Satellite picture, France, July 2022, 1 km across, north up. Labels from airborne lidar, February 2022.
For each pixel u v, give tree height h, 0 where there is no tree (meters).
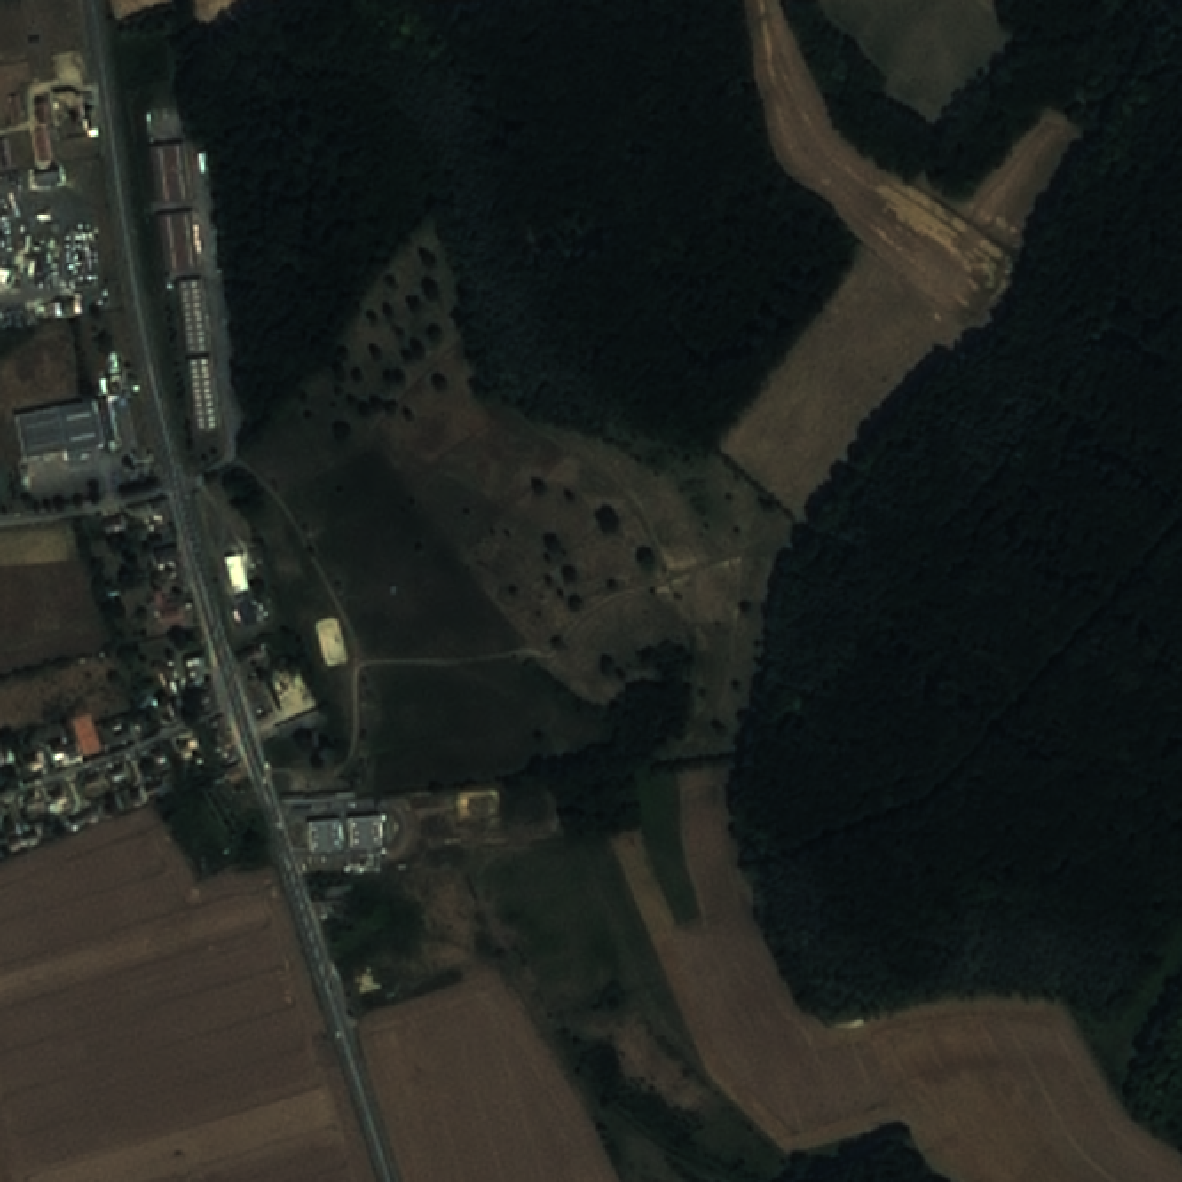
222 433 0
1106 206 19
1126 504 27
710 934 0
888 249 0
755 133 23
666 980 0
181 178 0
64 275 0
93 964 0
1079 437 16
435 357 0
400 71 17
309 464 0
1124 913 22
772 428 0
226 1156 0
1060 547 15
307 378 10
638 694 13
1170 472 15
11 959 0
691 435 12
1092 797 25
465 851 0
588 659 0
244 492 11
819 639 19
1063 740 17
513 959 0
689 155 27
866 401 0
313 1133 0
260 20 30
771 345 24
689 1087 0
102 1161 0
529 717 0
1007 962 17
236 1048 0
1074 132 0
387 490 0
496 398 17
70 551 0
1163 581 24
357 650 0
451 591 0
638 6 26
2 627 0
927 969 21
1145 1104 10
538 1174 0
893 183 0
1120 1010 18
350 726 0
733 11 25
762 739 24
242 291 21
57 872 0
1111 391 23
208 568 0
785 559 13
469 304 24
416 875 0
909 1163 24
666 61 28
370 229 9
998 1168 0
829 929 18
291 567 0
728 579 0
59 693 0
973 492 19
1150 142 23
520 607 0
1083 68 24
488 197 18
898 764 23
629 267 24
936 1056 0
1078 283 28
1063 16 18
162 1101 0
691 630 0
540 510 0
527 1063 0
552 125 25
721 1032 0
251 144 25
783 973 14
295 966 0
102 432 0
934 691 25
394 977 0
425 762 0
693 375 22
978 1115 0
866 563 19
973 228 0
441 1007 0
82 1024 0
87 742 0
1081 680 27
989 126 26
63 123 0
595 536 0
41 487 0
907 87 0
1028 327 19
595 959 0
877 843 25
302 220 11
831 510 19
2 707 0
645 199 24
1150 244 26
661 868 0
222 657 0
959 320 0
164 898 0
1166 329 23
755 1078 0
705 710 0
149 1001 0
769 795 25
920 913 23
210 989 0
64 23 0
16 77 0
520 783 11
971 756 22
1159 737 27
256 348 19
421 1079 0
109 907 0
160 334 0
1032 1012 0
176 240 0
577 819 22
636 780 19
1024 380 19
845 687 23
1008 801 25
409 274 0
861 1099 0
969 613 25
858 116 22
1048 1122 0
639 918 0
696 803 0
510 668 0
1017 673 25
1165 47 23
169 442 0
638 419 16
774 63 0
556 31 25
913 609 8
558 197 23
